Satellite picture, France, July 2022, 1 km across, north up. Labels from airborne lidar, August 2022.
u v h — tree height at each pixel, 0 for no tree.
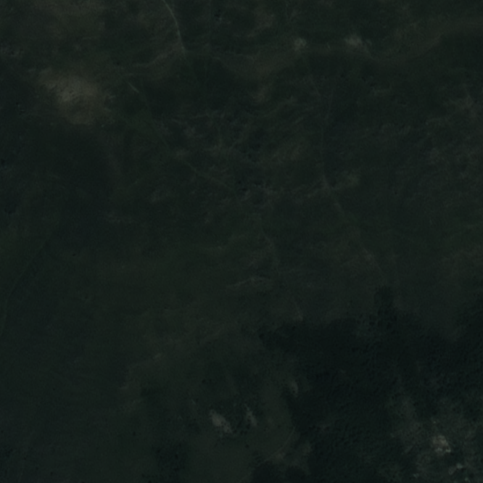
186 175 0
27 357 0
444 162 0
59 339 0
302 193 0
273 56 0
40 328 0
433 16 0
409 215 0
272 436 0
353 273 0
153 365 0
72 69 0
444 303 0
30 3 0
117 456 0
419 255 0
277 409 0
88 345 0
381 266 0
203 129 0
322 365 12
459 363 12
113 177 0
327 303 0
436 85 0
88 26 0
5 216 0
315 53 0
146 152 0
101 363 0
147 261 0
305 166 0
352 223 0
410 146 0
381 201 0
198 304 0
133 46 0
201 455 0
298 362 6
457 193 0
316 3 0
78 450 0
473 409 8
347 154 0
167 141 0
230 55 0
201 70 0
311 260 0
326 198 0
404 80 0
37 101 0
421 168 0
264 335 14
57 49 0
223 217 0
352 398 11
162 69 0
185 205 0
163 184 0
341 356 8
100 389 0
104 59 0
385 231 0
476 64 0
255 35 0
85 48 0
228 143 0
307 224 0
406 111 0
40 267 0
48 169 0
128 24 0
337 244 0
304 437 12
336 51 0
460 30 0
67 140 0
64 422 0
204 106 0
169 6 0
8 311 0
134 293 0
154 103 0
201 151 0
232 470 0
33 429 0
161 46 0
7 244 0
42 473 0
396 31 0
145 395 7
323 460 8
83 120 0
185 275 0
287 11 0
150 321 0
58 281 0
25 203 0
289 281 0
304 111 0
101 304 0
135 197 0
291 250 0
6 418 0
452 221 0
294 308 0
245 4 0
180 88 0
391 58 0
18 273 0
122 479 0
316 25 0
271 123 0
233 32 0
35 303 0
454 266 0
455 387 15
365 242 0
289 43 0
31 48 0
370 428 9
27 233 0
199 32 0
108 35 0
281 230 0
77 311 0
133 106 0
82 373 0
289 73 0
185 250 0
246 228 0
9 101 0
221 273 0
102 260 0
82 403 0
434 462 8
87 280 0
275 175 0
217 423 0
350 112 0
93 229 0
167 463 6
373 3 0
